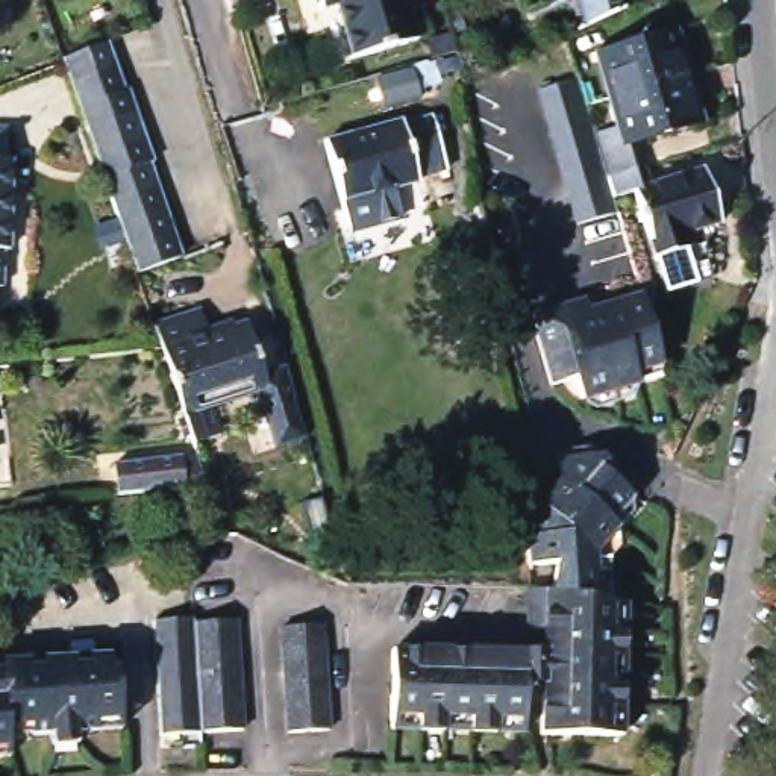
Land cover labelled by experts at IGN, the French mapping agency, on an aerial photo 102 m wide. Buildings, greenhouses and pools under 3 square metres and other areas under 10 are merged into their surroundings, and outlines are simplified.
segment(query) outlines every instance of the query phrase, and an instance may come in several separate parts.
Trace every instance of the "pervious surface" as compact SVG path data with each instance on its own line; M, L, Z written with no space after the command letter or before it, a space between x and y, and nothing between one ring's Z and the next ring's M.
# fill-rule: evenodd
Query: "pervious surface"
M591 758L597 764L615 767L634 764L634 746L643 737L649 724L646 712L637 718L631 728L621 728L621 740L585 737L591 743Z
M176 409L164 403L158 376L142 367L133 367L130 388L133 394L142 394L139 424L146 427L152 446L179 443Z
M688 458L700 458L700 443L676 440L658 449L658 452L658 458L682 464Z

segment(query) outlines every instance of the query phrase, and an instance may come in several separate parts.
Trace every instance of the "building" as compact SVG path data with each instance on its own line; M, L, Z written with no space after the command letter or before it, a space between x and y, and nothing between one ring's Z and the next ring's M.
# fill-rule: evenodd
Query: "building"
M12 288L18 239L24 233L24 221L30 212L27 194L33 188L33 179L39 176L33 164L33 146L27 142L24 115L0 115L0 288Z
M45 646L33 646L30 652L12 652L9 646L0 646L0 761L9 758L12 721L24 724L24 734L49 740L55 752L76 752L82 746L94 740L94 734L121 731L127 664L118 652L73 655L70 649L67 655L49 655Z
M109 197L112 215L100 221L100 249L106 252L109 243L118 246L118 267L133 267L136 273L152 270L164 264L164 258L188 255L191 249L197 249L197 236L191 233L185 206L173 185L158 118L152 112L146 85L136 76L124 39L91 39L88 49L67 55L67 61L67 73L73 76L85 106L79 124L91 127L97 139L97 161L115 167L118 176L118 194Z
M318 524L324 524L324 503L309 503L312 524Z
M452 164L443 130L443 118L449 115L449 106L440 100L430 103L424 97L427 82L418 64L379 76L379 88L370 88L370 94L376 112L343 121L330 136L336 155L346 161L352 224L373 227L385 218L403 218L412 209L412 182Z
M170 303L164 309L164 318L155 324L155 333L161 333L164 343L170 346L185 376L191 418L212 406L236 412L249 406L258 394L267 394L273 412L264 421L270 421L276 440L282 446L297 446L300 433L315 427L300 364L291 346L291 324L282 309L258 306L224 312L212 300Z
M333 612L318 606L309 612L279 618L267 637L267 667L279 670L279 661L288 664L288 715L294 728L288 728L288 734L297 737L321 734L324 724L336 724L343 718L343 688L349 682L349 649L336 643Z
M437 755L443 740L470 734L482 737L503 728L503 721L524 724L524 734L558 740L585 737L621 740L621 728L631 728L637 718L631 715L627 688L634 609L624 600L603 600L597 591L585 588L618 558L621 546L621 527L640 515L643 506L624 476L606 464L606 452L594 452L582 443L573 446L573 455L564 458L561 470L561 479L552 491L552 512L543 521L537 543L524 552L524 561L530 570L555 576L555 582L546 588L518 585L521 597L515 597L503 612L518 612L530 624L546 627L549 643L415 646L409 637L403 637L397 731L415 728L427 734L427 749Z
M158 485L182 479L197 485L206 473L206 461L194 458L194 449L188 443L179 443L152 446L121 455L121 461L118 461L118 476L115 476L112 482L115 494L136 497Z
M255 721L255 664L246 609L239 618L224 621L164 618L158 612L158 624L152 631L161 646L161 661L152 703L158 721L158 746L170 749L170 743L182 737L203 743L203 737L233 737L236 743L243 737L239 724Z
M582 400L585 391L603 394L612 388L624 388L634 379L646 376L652 367L664 364L661 324L640 282L612 288L600 300L591 300L588 294L567 297L561 300L552 321L543 324L537 327L534 340L543 379L552 388L567 388L573 397Z
M346 55L346 61L355 64L400 45L412 45L424 30L424 21L440 9L440 0L327 0L336 3L346 15L343 27L333 33L333 45Z
M709 261L697 261L691 243L700 243L703 224L728 215L728 212L718 176L706 161L709 155L706 149L697 149L658 161L655 142L661 136L679 133L682 127L706 130L709 124L721 121L721 67L715 64L709 30L688 9L685 0L679 0L615 30L615 45L603 42L600 64L600 70L615 82L621 94L618 130L606 127L606 106L585 106L579 85L570 73L564 73L555 76L552 85L546 85L540 91L540 106L561 170L561 188L555 203L567 203L570 209L576 209L591 197L594 212L618 212L615 197L634 197L637 218L646 230L649 249L658 276L667 291L682 291L709 282L712 267Z
M582 18L591 24L618 15L618 3L624 0L567 0L570 9Z

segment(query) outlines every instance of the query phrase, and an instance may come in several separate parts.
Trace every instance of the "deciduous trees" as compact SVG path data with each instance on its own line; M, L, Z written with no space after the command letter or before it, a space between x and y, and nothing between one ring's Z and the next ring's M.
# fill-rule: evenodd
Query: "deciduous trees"
M133 561L155 591L176 591L194 585L194 558L212 543L224 543L227 534L215 527L218 506L212 503L209 488L197 485L182 479L158 485L136 497L115 494L112 530L118 537L130 530L130 543L106 546L106 552L112 564Z
M55 594L55 582L67 582L76 588L82 579L91 579L88 555L76 524L61 512L6 515L0 524L0 594L49 597Z
M312 534L306 534L306 540L297 540L306 564L349 582L406 582L409 576L421 576L488 576L506 573L524 561L524 552L537 543L543 521L552 512L552 491L561 479L561 470L549 464L543 452L534 452L527 446L512 446L509 452L503 452L500 446L494 446L491 437L452 443L443 446L433 458L427 458L427 452L418 449L427 424L412 424L397 433L388 433L385 446L379 452L370 452L367 467L352 467L343 479L340 473L327 479L327 473L321 473L321 491L306 497L309 503L324 503L324 524L318 524Z
M406 346L437 361L443 370L485 370L488 376L506 373L512 343L524 346L534 340L537 327L543 324L530 312L527 297L509 285L503 267L470 255L479 243L476 227L470 221L458 218L452 227L440 227L433 233L437 239L430 243L433 249L421 255L412 273L415 300L409 303L409 321L400 327Z

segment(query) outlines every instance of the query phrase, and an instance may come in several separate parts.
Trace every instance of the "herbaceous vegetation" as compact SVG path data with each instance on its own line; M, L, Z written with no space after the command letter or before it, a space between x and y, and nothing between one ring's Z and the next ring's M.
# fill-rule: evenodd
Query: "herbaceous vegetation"
M246 33L236 42L233 58L243 109L221 115L191 0L173 0L182 49L188 55L203 121L215 146L218 173L230 194L236 170L224 142L224 130L233 127L236 121L273 112L267 106L267 94L261 91L255 61L279 42L276 36L270 36L267 24Z
M309 118L321 139L330 136L343 121L376 112L370 94L336 94L327 100L327 112Z
M297 446L282 446L276 440L270 452L252 452L249 443L236 440L206 461L206 473L197 485L209 488L212 503L218 506L215 527L227 534L243 534L291 561L306 564L297 540L306 540L306 534L312 534L318 524L312 524L309 503L306 497L321 491L321 473L327 473L315 427L300 433ZM270 530L264 534L239 527L236 512L246 509L246 500L255 500L267 491L279 491L285 497L285 518L270 524Z
M27 770L45 764L55 752L49 740L24 734Z
M306 30L297 0L273 0L273 18L282 21L282 33Z
M570 9L567 0L503 0L503 9L515 9L524 21L540 21L549 12Z
M437 361L406 346L400 327L409 321L409 303L415 300L412 273L421 255L433 249L430 243L421 243L415 236L412 246L403 252L379 252L373 261L349 261L343 230L336 230L330 239L312 249L288 249L282 255L282 264L303 324L340 473L343 479L352 467L367 467L370 452L379 452L385 446L388 433L397 433L412 424L427 424L418 449L427 452L427 458L433 458L443 446L452 443L491 437L494 446L500 446L503 452L509 452L512 446L527 446L534 452L543 452L549 464L561 470L564 458L573 455L573 446L582 443L594 452L606 452L606 464L624 476L652 452L658 452L658 449L655 433L621 430L600 421L576 418L567 409L567 400L573 397L567 388L552 388L552 397L515 406L512 382L506 373L488 376L485 370L443 370Z
M740 158L709 155L706 161L718 176L728 212L734 209L737 197L749 200L755 218L755 249L764 252L773 203L764 200L761 188L752 182L752 149L740 152Z
M0 364L0 497L15 497L27 488L42 485L100 479L100 476L97 476L97 455L106 455L106 452L121 452L121 455L152 446L146 427L139 424L142 394L133 394L130 388L121 388L115 379L121 358L88 358L79 376L67 385L58 385L52 367L33 370L30 382L21 382L18 376L12 376L9 364ZM42 464L42 446L49 443L52 430L64 430L73 440L76 458L70 470L49 470Z
M688 724L667 731L661 724L649 724L643 737L652 746L664 746L670 752L670 776L679 776L682 755L691 749Z
M603 600L624 600L634 609L627 688L631 715L637 718L646 712L652 697L652 676L658 670L655 643L649 640L649 634L658 627L658 597L655 588L646 582L655 570L640 552L621 546L618 558L585 588L597 591Z
M700 458L688 458L682 464L685 470L694 470L703 479L724 479L731 437L737 437L737 430L752 433L752 421L740 421L743 391L737 379L746 367L758 361L761 343L740 346L740 336L728 324L718 324L721 312L731 306L749 309L755 294L746 285L709 282L682 291L667 291L658 276L640 282L661 324L664 364L664 367L682 361L685 346L697 349L706 340L712 340L715 346L709 373L712 382L721 388L712 400L700 403L697 412L682 412L685 418L694 418L700 424L718 421L721 433L712 443L700 443Z
M518 585L546 588L555 582L555 576L530 570L524 561L506 573L488 576L421 576L427 582L449 579Z
M579 85L588 82L594 94L603 94L600 79L594 73L594 64L600 64L603 42L591 24L582 18L579 42L558 42L543 55L534 55L518 64L524 73L546 85L552 85L555 76L564 73L570 73Z
M0 0L0 97L52 76L61 79L67 73L67 61L61 61L55 52L58 45L52 39L52 24L42 15L42 6L30 6L30 0Z
M58 12L70 39L88 39L88 30L103 18L130 18L146 6L142 0L64 0Z
M33 179L33 188L27 194L30 212L39 215L39 224L33 239L36 273L30 276L27 288L45 294L73 264L97 255L100 249L100 221L97 215L91 215L88 206L76 203L73 188L67 182L39 176Z
M703 600L712 597L709 552L715 549L715 524L697 512L688 512L685 506L676 506L673 524L670 597L682 609L682 676L706 682L709 667L700 655L697 634L703 621L709 621L709 606Z
M121 731L94 734L94 740L82 746L100 764L109 764L112 755L121 755L124 749Z
M91 267L52 300L61 312L61 324L55 336L45 336L49 349L100 349L103 343L118 343L121 336L139 327L133 321L136 306L167 303L164 294L164 279L152 270L136 273L133 267L118 267Z

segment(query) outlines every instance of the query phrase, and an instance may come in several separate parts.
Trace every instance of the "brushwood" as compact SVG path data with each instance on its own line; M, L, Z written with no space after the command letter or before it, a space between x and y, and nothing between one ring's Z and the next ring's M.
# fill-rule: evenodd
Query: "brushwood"
M24 724L12 721L9 758L0 761L0 776L127 776L136 773L136 767L130 764L127 734L121 731L124 749L121 755L112 755L109 764L100 764L82 746L76 752L55 752L45 764L27 770L24 734Z
M146 6L130 18L103 18L88 30L88 39L70 39L58 12L64 0L30 0L30 6L42 6L42 15L52 24L52 39L58 45L55 52L61 61L67 61L67 55L88 49L91 39L124 39L133 30L146 30L161 21L158 0L142 0Z
M91 164L82 155L79 130L70 133L61 124L42 146L33 146L33 164L39 176L67 182L73 188L76 203L88 206L91 215L97 215L100 221L112 215L109 197L118 194L118 176L115 167L97 161Z
M246 500L246 509L236 512L239 527L264 534L270 530L270 524L285 518L285 497L279 491L267 491L255 500Z
M767 621L755 627L752 640L758 649L767 649L767 655L752 667L752 682L755 703L764 712L770 712L770 721L761 724L755 715L743 715L737 721L740 728L749 728L749 734L731 746L721 776L776 776L776 552L770 552L764 564L752 570L752 579L761 588L767 606Z
M676 440L700 443L712 443L721 433L718 421L700 424L694 418L685 418L682 412L697 412L700 403L712 400L721 388L712 382L709 373L715 346L712 340L706 340L697 349L685 346L682 361L664 367L664 379L640 388L637 400L624 400L615 406L594 406L582 400L573 397L567 400L567 409L576 418L600 421L621 430L655 433L658 449Z
M249 0L239 0L233 6L233 24L246 33L267 24L267 18Z
M618 212L631 233L634 261L649 249L646 230L637 218L634 197L615 197Z
M0 497L0 524L6 515L61 512L76 524L88 555L106 552L106 546L130 543L130 530L118 537L112 530L115 494L112 482L103 482L103 479L100 479L42 485L27 488L15 497Z
M731 306L721 312L718 324L728 324L740 336L740 346L761 343L767 321L752 315L749 309Z
M703 694L706 682L682 676L682 609L670 597L673 524L667 521L664 506L643 506L640 515L621 527L621 546L640 552L655 570L646 582L655 588L658 597L658 627L649 634L649 640L655 643L658 670L652 676L652 697L646 712L649 724L661 724L667 731L688 724L688 697Z
M443 740L437 755L427 749L427 734L415 728L397 731L385 724L382 761L333 758L327 761L327 776L670 776L670 752L664 746L652 746L643 737L634 746L634 764L615 767L597 764L591 758L591 743L585 737L558 740L524 734L509 740L503 749L485 755L479 752L482 737L470 734Z
M306 49L285 49L279 42L255 61L261 91L267 94L267 106L273 112L282 106L285 121L294 121L300 115L309 118L327 112L327 100L336 94L370 94L370 88L379 88L379 76L418 64L433 61L440 67L440 76L449 85L449 91L440 100L449 106L449 115L458 127L461 161L467 164L464 203L470 209L482 206L482 212L512 209L512 197L479 188L476 139L464 106L464 88L476 85L476 97L494 94L494 88L500 85L497 73L509 64L518 64L534 55L543 55L558 42L579 42L582 18L570 9L549 12L540 21L524 21L515 9L503 9L503 0L440 0L440 9L424 21L424 30L412 45L400 45L355 64L346 61L346 55L333 45L333 33L312 33Z
M340 473L303 324L282 264L282 255L288 249L285 243L267 233L258 215L258 203L249 197L246 158L239 152L233 127L224 130L224 142L236 170L230 194L236 215L249 230L249 246L255 252L249 288L258 294L258 306L282 309L291 324L291 346L300 364L315 427L327 473L327 479Z
M618 3L618 15L591 24L603 42L615 45L615 30L679 0L624 0Z
M21 382L30 382L33 370L52 367L58 385L67 385L79 376L88 358L121 358L115 379L121 388L130 388L133 367L142 367L158 376L164 403L176 409L176 388L161 355L164 343L161 333L155 333L155 324L164 318L164 309L170 303L167 303L136 306L133 321L139 327L121 336L118 343L103 343L100 349L49 349L45 336L55 336L61 324L61 312L52 300L45 300L45 294L27 288L27 297L18 297L12 288L0 288L0 364L9 364L12 376L18 376Z
M170 776L194 776L209 770L209 752L197 749L197 755L188 761L167 761Z
M688 9L709 30L715 64L721 67L740 61L734 49L731 15L721 6L728 0L685 0Z
M197 236L197 249L191 249L188 255L164 258L164 264L152 270L164 279L164 294L176 288L176 279L206 279L206 273L221 267L230 249L230 236Z
M764 252L755 249L755 218L749 200L737 197L734 209L728 212L728 215L737 218L746 270L761 276Z

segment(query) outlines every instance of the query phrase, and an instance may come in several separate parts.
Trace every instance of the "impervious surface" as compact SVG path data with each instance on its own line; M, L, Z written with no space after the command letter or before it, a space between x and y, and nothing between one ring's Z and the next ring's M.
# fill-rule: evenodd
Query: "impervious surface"
M24 233L18 239L12 288L18 297L27 297L27 288L30 276L36 273L33 239L39 224L39 215L30 212L24 221Z
M233 24L233 6L239 0L191 0L221 115L243 109L233 58L236 42L246 33Z
M270 36L276 36L279 42L285 49L306 49L312 33L333 33L343 27L346 15L336 3L327 0L297 0L306 30L282 33L282 21L273 18L273 0L249 0L267 18L267 24Z
M91 164L97 161L97 139L91 127L79 124L85 106L73 76L67 73L61 79L52 76L0 97L0 115L24 115L27 142L33 146L42 146L61 124L70 133L79 130L82 155Z
M121 452L106 452L106 455L97 455L97 476L100 476L100 479L103 479L103 482L112 482L115 476L118 476L118 461L121 461L121 455Z
M512 382L515 406L552 397L552 388L543 379L534 340L524 346L512 343L506 373Z
M118 246L109 243L106 252L100 249L97 255L73 264L45 294L45 300L52 300L91 267L118 267Z
M485 755L503 749L509 740L524 734L524 724L503 721L503 728L482 737L479 752Z
M615 82L600 70L600 64L594 64L594 73L600 79L603 94L594 94L588 82L579 85L585 106L606 106L606 127L618 130L621 94Z
M264 421L273 412L267 394L258 394L249 406L236 412L212 406L191 418L185 376L170 346L164 343L161 355L176 388L176 409L179 443L188 443L194 449L194 458L206 461L236 440L249 443L252 452L270 452L276 440L270 421Z
M333 758L382 761L385 724L397 731L403 637L409 637L415 646L549 643L546 627L530 624L518 612L503 612L515 597L521 597L518 585L449 579L427 582L421 576L409 576L406 582L349 582L306 564L291 561L243 534L227 534L224 543L212 543L194 558L194 585L176 591L155 591L133 561L112 564L106 552L88 555L91 579L82 579L76 588L67 582L55 582L55 594L49 597L0 594L0 646L9 646L12 652L30 652L33 646L45 646L49 655L67 655L70 649L73 655L118 652L127 664L121 731L127 734L130 764L136 767L136 773L127 776L170 776L167 761L188 761L197 755L197 749L209 752L209 770L194 776L327 776L327 761ZM297 737L288 734L288 728L294 728L288 715L288 664L279 661L279 670L267 667L267 637L279 618L309 612L318 606L333 612L336 643L349 649L349 682L343 688L343 718L336 724L324 724L321 734ZM203 743L182 737L170 743L170 749L158 746L158 721L152 703L161 661L161 646L152 631L158 624L158 612L164 618L224 621L239 618L246 609L255 664L255 721L239 724L243 737L236 743L233 737L203 737Z
M133 30L124 39L136 76L146 85L152 112L158 118L173 185L185 206L191 233L197 236L230 236L230 249L221 267L206 273L206 279L176 279L176 288L164 294L167 303L170 303L212 300L224 312L258 306L258 294L249 288L255 252L249 246L249 230L236 215L230 194L218 173L215 146L203 121L188 55L182 49L173 0L158 0L161 21L146 30Z
M449 85L440 76L440 67L433 61L418 64L427 82L424 97L430 103L440 100L449 91Z
M770 712L764 712L755 703L752 682L752 667L767 655L767 649L758 649L752 640L755 627L767 621L767 606L761 588L752 579L752 570L764 564L770 552L776 552L776 0L728 0L721 6L731 15L734 49L740 61L721 67L721 121L709 124L706 130L682 127L679 133L661 136L655 142L658 161L697 149L706 149L709 155L740 158L740 152L752 149L752 182L761 188L764 200L773 203L764 252L761 276L746 270L737 218L728 215L703 224L700 243L691 243L697 261L709 261L712 267L709 282L746 285L755 294L749 309L752 315L767 321L761 343L758 361L746 367L737 379L743 391L740 421L752 421L752 433L737 430L737 437L731 437L724 479L703 479L694 470L685 470L682 464L658 458L658 452L652 452L624 476L643 506L664 506L667 521L673 524L676 506L685 506L688 512L697 512L715 524L715 549L709 552L712 597L703 600L709 606L709 621L703 621L697 634L700 655L709 667L706 682L703 694L688 697L688 724L691 749L682 755L679 776L721 776L731 746L749 734L749 728L740 728L737 721L743 715L755 715L761 724L770 721Z
M336 155L330 136L321 139L309 118L300 115L294 121L285 121L282 106L273 112L236 121L233 127L239 152L246 158L249 197L258 203L258 215L267 233L285 243L288 249L312 249L330 239L336 230L343 230L349 261L373 261L379 252L403 252L412 246L415 236L421 243L430 243L437 239L433 233L440 227L452 227L458 218L470 221L476 227L479 243L470 255L503 267L509 285L527 297L530 312L543 324L552 321L561 300L567 297L588 294L591 300L600 300L612 288L640 282L658 276L649 249L634 261L631 233L618 212L594 212L591 197L576 209L570 209L567 203L555 203L561 188L561 170L540 106L540 91L546 85L524 73L518 64L509 64L497 73L500 85L494 88L494 94L476 97L476 85L464 88L464 106L476 139L479 188L512 197L512 209L482 212L482 206L470 209L464 203L467 164L461 161L458 127L449 115L443 118L443 130L452 164L412 182L412 209L403 218L385 218L373 227L352 224L346 161Z
M585 391L582 400L594 406L615 406L624 400L637 400L640 388L664 379L664 367L664 364L652 367L646 376L634 379L624 388L612 388L603 394Z

